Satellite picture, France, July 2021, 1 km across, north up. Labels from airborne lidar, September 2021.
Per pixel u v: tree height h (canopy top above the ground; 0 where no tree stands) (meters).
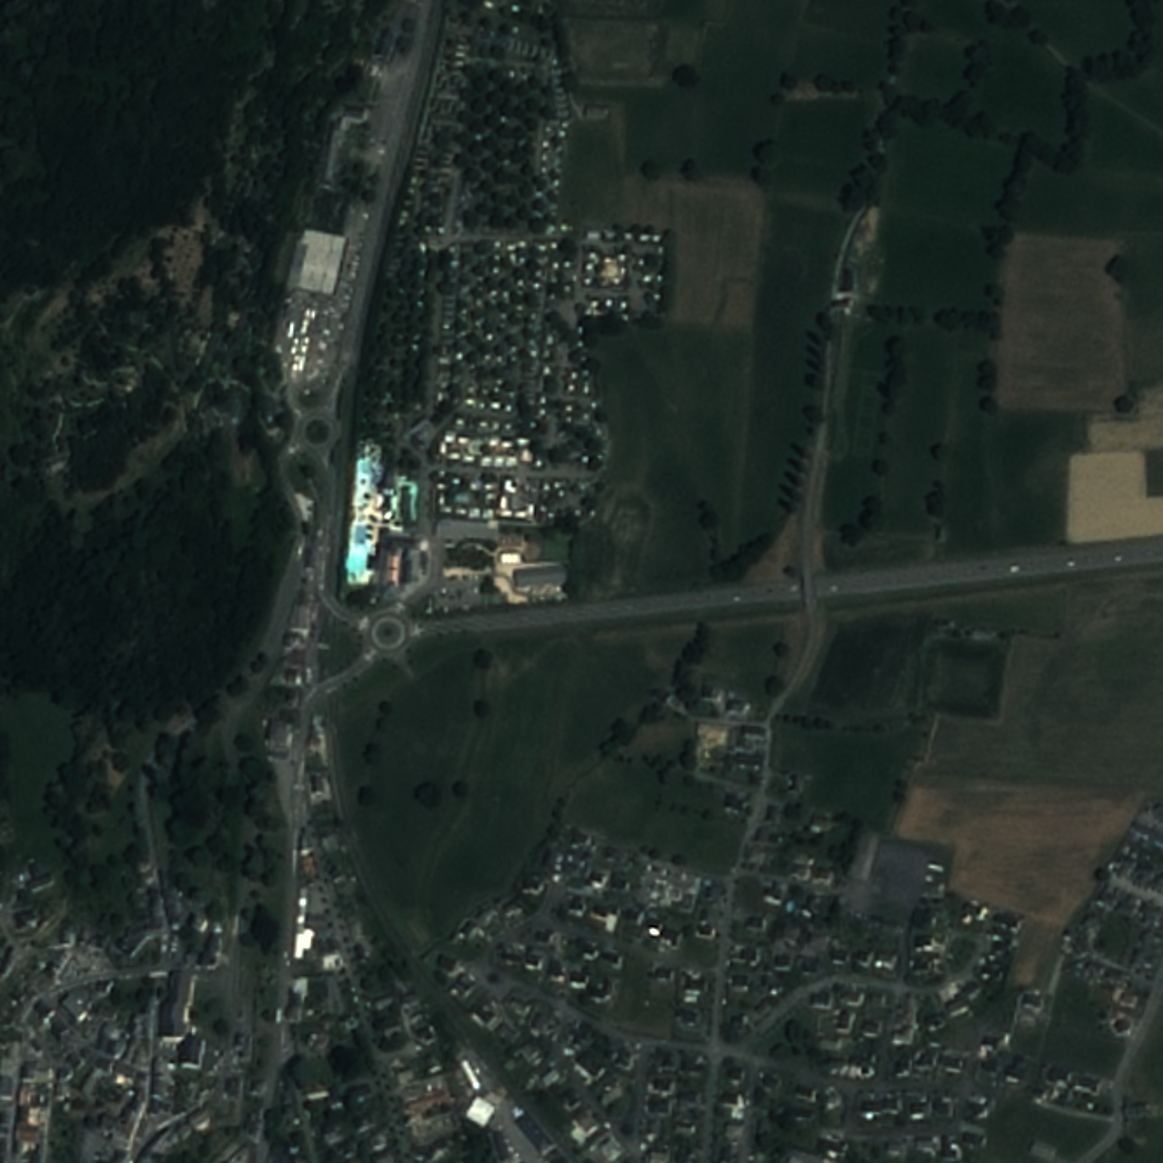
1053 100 0
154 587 10
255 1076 8
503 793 0
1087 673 0
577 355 17
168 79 22
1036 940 0
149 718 25
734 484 0
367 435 13
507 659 0
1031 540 0
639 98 0
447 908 0
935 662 0
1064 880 0
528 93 13
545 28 15
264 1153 0
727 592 0
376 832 0
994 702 0
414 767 0
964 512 0
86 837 24
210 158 21
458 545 6
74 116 15
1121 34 0
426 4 0
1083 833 0
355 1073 31
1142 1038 0
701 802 0
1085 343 0
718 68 0
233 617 11
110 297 14
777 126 0
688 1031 0
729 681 0
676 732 0
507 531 8
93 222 19
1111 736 0
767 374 0
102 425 14
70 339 9
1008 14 18
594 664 0
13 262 16
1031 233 0
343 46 16
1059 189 0
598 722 0
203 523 14
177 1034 0
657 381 0
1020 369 0
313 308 0
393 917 0
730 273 0
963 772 0
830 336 11
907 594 0
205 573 22
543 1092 8
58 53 19
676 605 0
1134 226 0
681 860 9
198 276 8
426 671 0
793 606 0
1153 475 0
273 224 18
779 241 0
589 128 0
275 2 14
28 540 9
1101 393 0
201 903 29
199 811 25
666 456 0
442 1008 0
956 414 0
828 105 0
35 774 0
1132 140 0
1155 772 0
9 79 13
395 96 0
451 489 10
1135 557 0
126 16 19
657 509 0
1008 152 0
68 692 29
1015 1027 0
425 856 0
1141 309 0
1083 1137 0
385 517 6
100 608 11
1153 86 0
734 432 0
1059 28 0
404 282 12
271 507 12
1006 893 0
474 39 13
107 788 22
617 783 0
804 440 0
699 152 0
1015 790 0
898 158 0
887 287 0
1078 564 0
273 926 26
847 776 0
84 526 25
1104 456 0
